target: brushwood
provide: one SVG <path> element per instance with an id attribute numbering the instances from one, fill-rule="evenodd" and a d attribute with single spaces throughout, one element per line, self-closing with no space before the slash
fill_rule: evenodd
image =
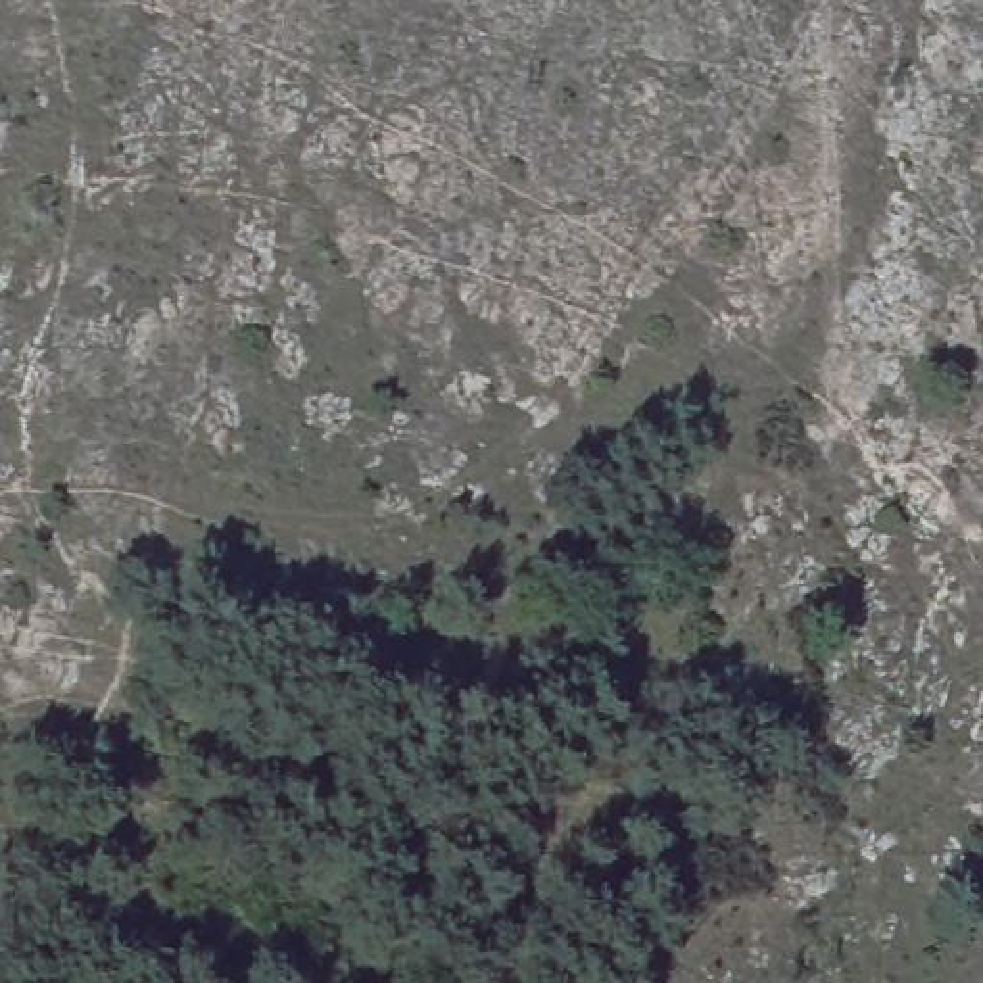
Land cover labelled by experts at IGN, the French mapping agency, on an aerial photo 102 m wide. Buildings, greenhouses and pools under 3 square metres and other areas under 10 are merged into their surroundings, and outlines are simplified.
<path id="1" fill-rule="evenodd" d="M 910 534 L 918 526 L 906 507 L 910 499 L 895 495 L 875 511 L 875 530 L 887 538 Z"/>
<path id="2" fill-rule="evenodd" d="M 968 388 L 960 388 L 960 376 L 952 369 L 933 365 L 929 353 L 910 353 L 899 369 L 910 392 L 918 396 L 918 419 L 945 419 L 952 407 L 964 403 Z"/>
<path id="3" fill-rule="evenodd" d="M 756 457 L 764 457 L 768 465 L 803 472 L 822 461 L 806 426 L 791 411 L 791 403 L 768 403 L 756 426 Z"/>
<path id="4" fill-rule="evenodd" d="M 65 507 L 46 492 L 42 530 L 50 530 L 54 538 L 50 545 L 38 545 L 38 526 L 0 526 L 0 614 L 12 607 L 31 607 L 38 584 L 54 584 L 65 591 L 77 584 L 54 553 L 54 545 L 88 541 L 92 518 L 77 503 Z"/>
<path id="5" fill-rule="evenodd" d="M 257 353 L 273 346 L 269 326 L 242 323 L 234 330 L 238 365 L 253 365 Z"/>
<path id="6" fill-rule="evenodd" d="M 933 899 L 918 902 L 922 933 L 910 941 L 918 971 L 948 968 L 948 960 L 964 948 L 964 937 L 983 933 L 983 895 L 971 883 L 952 879 L 948 872 Z"/>
<path id="7" fill-rule="evenodd" d="M 357 411 L 392 415 L 399 411 L 399 399 L 407 399 L 407 388 L 396 376 L 388 376 L 376 380 L 376 392 L 361 399 Z"/>

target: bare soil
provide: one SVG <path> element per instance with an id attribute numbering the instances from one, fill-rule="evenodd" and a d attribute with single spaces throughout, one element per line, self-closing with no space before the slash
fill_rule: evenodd
<path id="1" fill-rule="evenodd" d="M 791 856 L 776 872 L 776 883 L 787 891 L 787 906 L 799 910 L 795 929 L 818 933 L 822 922 L 814 899 L 837 887 L 837 872 L 829 856 Z"/>
<path id="2" fill-rule="evenodd" d="M 346 396 L 307 396 L 307 422 L 323 426 L 323 438 L 346 430 L 346 422 L 353 419 L 353 403 Z"/>
<path id="3" fill-rule="evenodd" d="M 891 833 L 845 826 L 852 837 L 860 837 L 864 860 L 879 860 L 895 845 Z"/>
<path id="4" fill-rule="evenodd" d="M 733 530 L 730 568 L 718 576 L 714 611 L 726 618 L 722 645 L 745 645 L 749 664 L 787 672 L 791 683 L 826 680 L 829 737 L 833 745 L 849 749 L 856 768 L 864 776 L 879 776 L 899 756 L 899 745 L 925 749 L 937 726 L 971 733 L 960 749 L 968 768 L 960 768 L 956 795 L 968 803 L 968 814 L 975 814 L 975 822 L 964 841 L 948 837 L 945 849 L 933 852 L 933 864 L 948 872 L 952 879 L 971 883 L 983 895 L 983 0 L 0 0 L 0 526 L 38 526 L 38 545 L 50 545 L 54 538 L 50 530 L 42 530 L 46 492 L 65 507 L 77 503 L 92 518 L 88 541 L 54 545 L 54 553 L 77 584 L 65 591 L 54 584 L 38 584 L 31 607 L 12 607 L 0 614 L 0 718 L 35 722 L 54 703 L 69 710 L 92 710 L 96 718 L 111 714 L 134 664 L 134 618 L 111 611 L 111 603 L 104 599 L 104 580 L 111 576 L 115 557 L 134 538 L 157 534 L 165 526 L 165 503 L 180 499 L 180 484 L 169 484 L 165 476 L 165 461 L 180 461 L 184 472 L 192 472 L 192 442 L 211 442 L 223 453 L 246 449 L 238 430 L 238 396 L 230 392 L 230 369 L 238 365 L 234 330 L 242 323 L 269 326 L 273 346 L 280 349 L 280 372 L 296 376 L 307 361 L 300 338 L 292 334 L 296 307 L 307 307 L 307 323 L 315 323 L 315 292 L 323 284 L 346 288 L 349 280 L 365 280 L 365 296 L 376 303 L 372 330 L 380 338 L 380 369 L 388 376 L 396 376 L 407 388 L 407 399 L 399 399 L 399 411 L 392 415 L 388 426 L 380 426 L 369 438 L 369 445 L 407 442 L 422 488 L 445 488 L 461 472 L 468 445 L 488 449 L 488 438 L 480 438 L 484 426 L 476 422 L 484 407 L 511 403 L 530 415 L 518 426 L 526 484 L 538 499 L 538 511 L 530 511 L 530 534 L 518 534 L 518 522 L 507 518 L 507 507 L 484 499 L 484 484 L 472 484 L 472 492 L 453 495 L 438 515 L 426 518 L 411 507 L 411 499 L 380 495 L 384 488 L 376 476 L 365 480 L 365 492 L 376 495 L 380 515 L 403 515 L 419 526 L 426 541 L 457 538 L 472 549 L 503 545 L 507 584 L 530 576 L 530 564 L 545 557 L 541 541 L 561 534 L 564 526 L 561 511 L 545 495 L 545 484 L 584 430 L 607 426 L 591 399 L 607 396 L 607 380 L 618 380 L 622 365 L 645 353 L 649 342 L 626 342 L 622 361 L 603 361 L 603 338 L 614 334 L 618 315 L 630 311 L 634 300 L 653 296 L 691 257 L 710 273 L 710 280 L 726 296 L 718 315 L 710 319 L 710 326 L 718 326 L 726 338 L 733 338 L 737 330 L 760 330 L 776 338 L 783 330 L 799 330 L 803 319 L 818 319 L 829 330 L 822 384 L 814 392 L 814 399 L 822 403 L 822 422 L 806 426 L 822 461 L 803 472 L 768 465 L 764 476 L 741 476 L 714 461 L 691 476 L 691 495 L 703 503 L 707 515 L 718 515 Z M 910 392 L 899 369 L 910 353 L 929 353 L 933 365 L 952 369 L 960 376 L 960 388 L 968 388 L 964 403 L 952 407 L 945 419 L 918 419 L 918 396 Z M 910 499 L 906 507 L 918 526 L 910 534 L 887 538 L 875 530 L 875 511 L 895 495 Z M 860 634 L 826 668 L 810 653 L 803 653 L 803 641 L 795 637 L 803 618 L 818 607 L 837 607 L 837 614 L 849 626 L 860 626 Z"/>

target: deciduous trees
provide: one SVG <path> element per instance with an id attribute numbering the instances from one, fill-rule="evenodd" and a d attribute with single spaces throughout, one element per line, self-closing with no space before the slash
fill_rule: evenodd
<path id="1" fill-rule="evenodd" d="M 826 668 L 860 634 L 860 626 L 849 626 L 837 614 L 837 607 L 818 607 L 803 618 L 795 637 L 803 641 L 803 653 L 810 653 Z"/>
<path id="2" fill-rule="evenodd" d="M 150 833 L 150 860 L 131 864 L 138 895 L 150 895 L 157 906 L 169 906 L 173 914 L 230 914 L 250 933 L 276 933 L 288 925 L 311 929 L 315 922 L 334 922 L 330 902 L 307 899 L 303 891 L 288 891 L 284 879 L 238 879 L 227 864 L 211 860 L 211 849 L 204 841 L 192 841 L 180 826 Z"/>
<path id="3" fill-rule="evenodd" d="M 376 614 L 399 634 L 411 630 L 411 599 L 384 595 Z"/>
<path id="4" fill-rule="evenodd" d="M 607 553 L 626 572 L 614 584 L 599 572 L 545 557 L 530 564 L 530 576 L 545 584 L 545 595 L 557 607 L 553 622 L 564 626 L 572 641 L 595 641 L 603 630 L 618 622 L 641 626 L 641 607 L 672 611 L 680 603 L 695 603 L 699 611 L 714 611 L 718 576 L 714 549 L 687 541 L 680 530 L 634 526 L 630 518 L 618 530 L 626 534 L 630 549 Z"/>

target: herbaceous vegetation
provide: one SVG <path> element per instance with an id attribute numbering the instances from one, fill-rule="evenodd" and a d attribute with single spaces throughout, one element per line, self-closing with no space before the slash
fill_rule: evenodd
<path id="1" fill-rule="evenodd" d="M 975 814 L 968 814 L 968 803 L 956 795 L 960 768 L 968 768 L 960 749 L 971 733 L 937 726 L 925 749 L 899 745 L 899 756 L 879 776 L 864 776 L 856 768 L 845 776 L 841 787 L 845 822 L 826 818 L 822 806 L 810 795 L 795 795 L 791 783 L 772 783 L 772 791 L 749 806 L 745 818 L 756 826 L 753 837 L 772 845 L 776 872 L 791 856 L 829 856 L 837 872 L 837 887 L 814 899 L 822 922 L 818 933 L 795 929 L 799 910 L 787 906 L 787 891 L 776 883 L 768 895 L 733 895 L 703 906 L 695 914 L 691 941 L 672 956 L 668 983 L 983 983 L 983 933 L 964 937 L 964 948 L 948 960 L 948 968 L 918 971 L 910 941 L 922 933 L 918 902 L 933 899 L 948 872 L 933 864 L 933 852 L 945 849 L 948 837 L 964 841 L 975 822 Z M 891 833 L 895 845 L 879 860 L 864 860 L 860 837 L 852 837 L 845 826 Z"/>
<path id="2" fill-rule="evenodd" d="M 530 415 L 511 403 L 484 407 L 476 422 L 484 426 L 480 438 L 488 438 L 488 449 L 468 445 L 461 472 L 445 488 L 422 488 L 407 442 L 369 445 L 369 438 L 380 426 L 388 426 L 392 415 L 357 411 L 361 399 L 376 392 L 376 380 L 388 376 L 380 369 L 380 338 L 372 330 L 376 303 L 365 296 L 365 280 L 349 280 L 346 288 L 323 284 L 315 292 L 315 323 L 307 323 L 307 307 L 296 307 L 292 334 L 300 338 L 307 361 L 296 376 L 280 372 L 280 349 L 273 346 L 257 353 L 253 365 L 238 365 L 230 369 L 230 392 L 238 396 L 238 430 L 246 449 L 223 453 L 211 442 L 192 442 L 192 472 L 184 472 L 180 461 L 165 461 L 165 476 L 169 484 L 180 484 L 180 499 L 165 503 L 165 526 L 157 534 L 173 549 L 180 549 L 184 541 L 200 541 L 211 526 L 238 518 L 246 522 L 246 545 L 273 549 L 284 564 L 330 557 L 342 561 L 349 572 L 372 572 L 376 580 L 407 576 L 415 564 L 457 572 L 472 549 L 457 538 L 426 541 L 419 526 L 403 515 L 380 515 L 376 495 L 365 492 L 365 480 L 376 476 L 384 488 L 380 495 L 411 499 L 411 507 L 426 518 L 438 515 L 453 495 L 472 492 L 472 484 L 484 484 L 484 499 L 507 507 L 507 518 L 518 522 L 518 534 L 530 534 L 530 511 L 538 511 L 538 499 L 526 484 L 518 426 Z M 353 403 L 353 419 L 346 422 L 346 430 L 323 438 L 323 426 L 307 422 L 307 396 L 346 396 Z"/>
<path id="3" fill-rule="evenodd" d="M 611 779 L 587 779 L 584 791 L 561 795 L 549 845 L 561 849 L 576 822 L 587 822 L 614 795 Z"/>
<path id="4" fill-rule="evenodd" d="M 710 372 L 714 384 L 741 388 L 741 396 L 730 399 L 730 407 L 722 411 L 730 422 L 730 445 L 714 461 L 741 476 L 764 476 L 768 465 L 764 457 L 756 457 L 756 426 L 768 403 L 791 403 L 791 411 L 806 426 L 822 422 L 822 403 L 814 399 L 814 392 L 822 384 L 829 330 L 818 319 L 803 319 L 799 330 L 783 330 L 776 338 L 760 330 L 737 330 L 733 338 L 726 338 L 718 326 L 710 326 L 710 319 L 718 315 L 726 296 L 710 280 L 710 273 L 691 257 L 653 296 L 634 300 L 630 311 L 618 315 L 614 334 L 603 338 L 603 361 L 622 361 L 626 342 L 649 342 L 645 353 L 622 365 L 618 380 L 607 380 L 607 396 L 591 399 L 607 426 L 622 426 L 653 392 L 687 384 L 695 372 Z"/>

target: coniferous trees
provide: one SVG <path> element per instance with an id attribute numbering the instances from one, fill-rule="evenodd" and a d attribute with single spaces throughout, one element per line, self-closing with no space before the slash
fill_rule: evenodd
<path id="1" fill-rule="evenodd" d="M 714 384 L 710 372 L 695 372 L 687 384 L 653 392 L 622 426 L 607 426 L 584 430 L 545 484 L 545 495 L 561 511 L 564 526 L 561 534 L 541 541 L 545 557 L 599 572 L 614 584 L 626 572 L 607 553 L 630 549 L 626 534 L 618 530 L 630 518 L 634 526 L 680 530 L 687 541 L 714 549 L 718 576 L 730 568 L 733 530 L 718 515 L 707 515 L 703 503 L 691 495 L 691 476 L 714 461 L 730 445 L 730 422 L 722 411 L 730 407 L 730 399 L 741 396 L 741 388 Z"/>
<path id="2" fill-rule="evenodd" d="M 69 710 L 54 703 L 35 722 L 0 718 L 0 983 L 668 983 L 672 956 L 691 941 L 695 914 L 703 906 L 733 895 L 768 895 L 776 883 L 776 872 L 772 845 L 753 837 L 756 826 L 745 818 L 749 806 L 772 791 L 772 783 L 791 783 L 795 795 L 810 795 L 822 806 L 826 818 L 845 822 L 841 787 L 845 776 L 856 768 L 849 749 L 833 745 L 829 737 L 826 680 L 791 683 L 787 672 L 749 664 L 745 645 L 722 645 L 726 618 L 714 611 L 699 611 L 695 603 L 680 603 L 672 611 L 641 607 L 641 626 L 618 622 L 603 630 L 595 641 L 572 641 L 564 626 L 553 622 L 557 607 L 545 595 L 545 584 L 530 576 L 507 584 L 503 545 L 472 549 L 457 572 L 415 564 L 407 576 L 376 580 L 372 572 L 349 572 L 342 561 L 330 557 L 284 564 L 273 549 L 246 545 L 246 522 L 238 518 L 211 526 L 200 541 L 184 541 L 180 549 L 173 549 L 157 534 L 134 538 L 115 557 L 111 576 L 104 580 L 104 599 L 111 603 L 111 611 L 134 618 L 134 664 L 111 714 L 96 718 L 92 710 Z M 376 614 L 384 595 L 411 599 L 411 630 L 399 634 Z M 561 849 L 549 845 L 561 795 L 584 791 L 587 779 L 611 779 L 614 795 L 587 822 L 576 822 Z M 288 891 L 303 891 L 307 899 L 330 902 L 334 922 L 315 922 L 311 929 L 288 925 L 276 933 L 250 933 L 230 914 L 173 914 L 169 906 L 157 906 L 150 895 L 138 895 L 131 864 L 150 860 L 150 833 L 180 826 L 192 841 L 204 841 L 211 849 L 211 860 L 227 864 L 238 879 L 284 879 Z"/>

